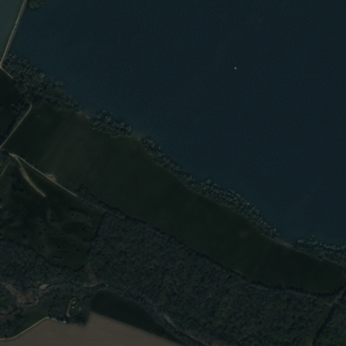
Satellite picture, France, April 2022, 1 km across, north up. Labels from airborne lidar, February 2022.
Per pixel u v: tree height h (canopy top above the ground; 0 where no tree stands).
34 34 0
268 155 0
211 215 0
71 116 0
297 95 0
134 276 23
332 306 0
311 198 0
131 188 0
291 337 29
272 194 0
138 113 0
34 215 0
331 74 0
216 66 0
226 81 0
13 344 0
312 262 0
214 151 0
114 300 0
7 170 0
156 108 0
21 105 10
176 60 0
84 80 0
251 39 0
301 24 0
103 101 0
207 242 0
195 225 0
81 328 0
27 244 0
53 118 0
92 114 0
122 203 0
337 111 0
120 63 0
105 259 29
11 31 0
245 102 0
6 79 0
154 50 0
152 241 28
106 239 25
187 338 22
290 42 0
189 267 30
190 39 0
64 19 0
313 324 24
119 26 0
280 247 0
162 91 0
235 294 28
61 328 0
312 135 0
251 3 0
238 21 0
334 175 0
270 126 0
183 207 0
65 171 0
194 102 0
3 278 21
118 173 0
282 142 0
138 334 0
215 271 19
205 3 0
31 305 0
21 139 0
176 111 0
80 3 0
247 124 0
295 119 0
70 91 0
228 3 0
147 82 0
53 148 0
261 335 23
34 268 25
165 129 0
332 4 0
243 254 0
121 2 0
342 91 0
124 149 0
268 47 0
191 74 0
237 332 30
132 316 0
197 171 0
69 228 0
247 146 0
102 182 0
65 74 0
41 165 0
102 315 0
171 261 32
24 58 7
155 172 0
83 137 0
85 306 0
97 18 0
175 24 0
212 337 19
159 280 27
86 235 0
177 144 0
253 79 0
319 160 0
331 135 0
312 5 0
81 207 0
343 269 0
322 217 0
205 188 11
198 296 34
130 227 28
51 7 0
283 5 0
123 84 0
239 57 0
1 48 0
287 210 0
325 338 29
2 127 0
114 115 0
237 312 30
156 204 0
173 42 0
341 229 0
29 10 0
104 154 0
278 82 0
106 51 0
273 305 32
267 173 0
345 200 0
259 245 0
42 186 0
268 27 0
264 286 14
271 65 0
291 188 0
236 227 0
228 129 0
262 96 0
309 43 0
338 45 0
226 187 0
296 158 0
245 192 0
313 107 0
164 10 0
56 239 0
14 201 0
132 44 0
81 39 0
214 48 0
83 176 0
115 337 0
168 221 0
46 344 0
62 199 0
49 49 0
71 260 0
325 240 0
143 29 0
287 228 0
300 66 0
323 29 0
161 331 0
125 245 25
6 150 0
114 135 16
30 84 16
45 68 0
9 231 0
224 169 0
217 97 0
